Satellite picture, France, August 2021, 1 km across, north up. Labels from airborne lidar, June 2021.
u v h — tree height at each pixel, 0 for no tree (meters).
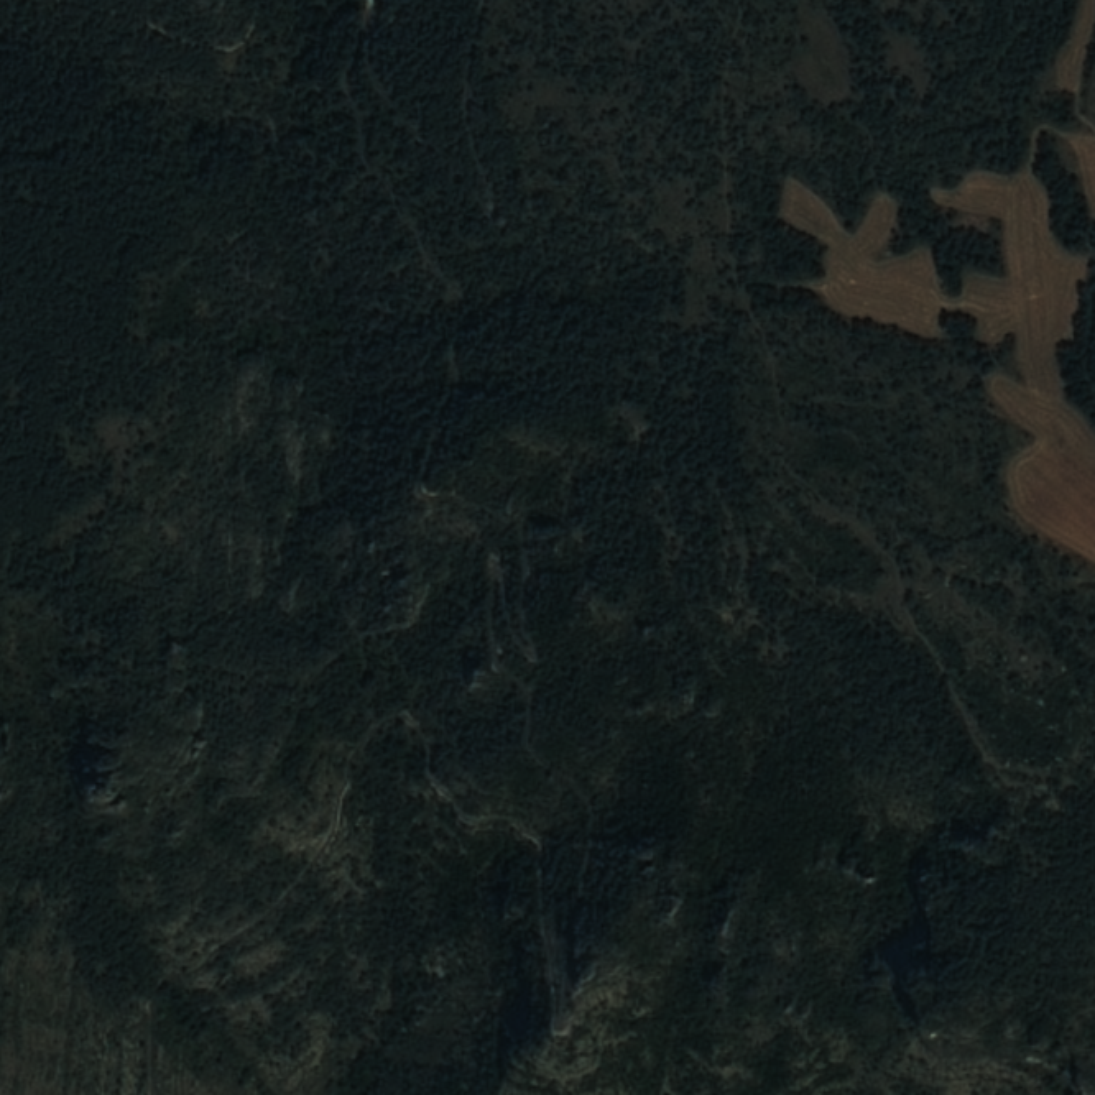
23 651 7
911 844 8
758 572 10
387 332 6
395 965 8
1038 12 9
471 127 9
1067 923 10
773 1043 7
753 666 6
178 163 9
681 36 7
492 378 13
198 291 8
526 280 9
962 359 8
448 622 10
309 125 9
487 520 7
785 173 7
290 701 10
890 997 7
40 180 13
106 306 10
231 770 5
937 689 7
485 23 8
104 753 11
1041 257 0
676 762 8
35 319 6
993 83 9
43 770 12
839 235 0
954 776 6
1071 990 7
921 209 7
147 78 9
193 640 11
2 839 9
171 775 8
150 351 7
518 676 6
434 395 9
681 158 7
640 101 7
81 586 15
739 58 8
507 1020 7
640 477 10
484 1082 7
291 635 12
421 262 8
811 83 0
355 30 11
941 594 0
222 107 9
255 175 6
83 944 12
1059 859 8
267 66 7
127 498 9
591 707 6
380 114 7
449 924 8
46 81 15
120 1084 8
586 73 9
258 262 7
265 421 8
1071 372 12
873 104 8
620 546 6
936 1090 9
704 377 8
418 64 7
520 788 9
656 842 10
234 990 6
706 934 10
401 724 13
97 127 10
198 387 9
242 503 7
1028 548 8
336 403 15
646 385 9
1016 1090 6
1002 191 0
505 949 8
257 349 6
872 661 10
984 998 7
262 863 7
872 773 11
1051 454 0
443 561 8
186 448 6
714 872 9
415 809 8
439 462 8
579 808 11
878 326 7
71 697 9
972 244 8
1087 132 0
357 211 12
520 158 9
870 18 7
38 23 14
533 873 6
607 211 7
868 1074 7
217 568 9
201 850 7
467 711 6
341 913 7
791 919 8
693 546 9
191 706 8
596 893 9
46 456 9
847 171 7
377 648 13
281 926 8
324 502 6
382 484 9
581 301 8
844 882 6
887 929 15
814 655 9
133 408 7
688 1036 7
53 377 10
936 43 7
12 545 7
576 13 8
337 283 13
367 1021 9
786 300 9
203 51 9
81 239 11
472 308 11
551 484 7
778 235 9
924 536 8
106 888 11
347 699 14
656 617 9
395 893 10
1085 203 7
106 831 11
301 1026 11
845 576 8
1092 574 0
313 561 17
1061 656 8
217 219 7
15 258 10
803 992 8
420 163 7
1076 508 0
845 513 0
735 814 8
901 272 0
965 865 15
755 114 8
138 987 11
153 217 8
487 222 10
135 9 7
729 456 12
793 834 7
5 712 6
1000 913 8
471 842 8
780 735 13
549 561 6
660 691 6
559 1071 26
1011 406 0
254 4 8
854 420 7
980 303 0
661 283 7
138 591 10
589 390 8
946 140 8
